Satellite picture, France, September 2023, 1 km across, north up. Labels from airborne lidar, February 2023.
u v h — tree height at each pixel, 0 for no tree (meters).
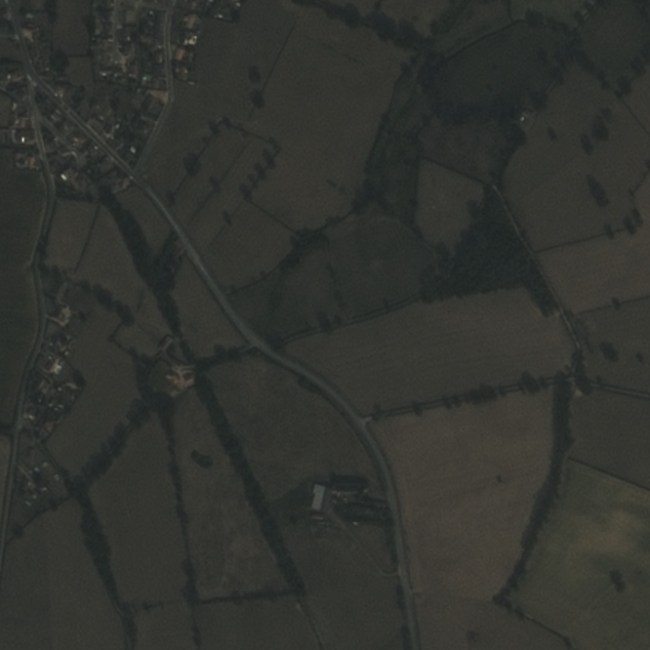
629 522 0
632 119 0
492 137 0
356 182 0
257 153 0
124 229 22
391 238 0
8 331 0
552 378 0
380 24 22
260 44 0
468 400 8
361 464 0
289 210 0
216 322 0
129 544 0
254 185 15
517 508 0
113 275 0
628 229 15
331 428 0
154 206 0
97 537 19
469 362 0
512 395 0
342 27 0
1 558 0
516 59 0
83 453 0
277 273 0
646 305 0
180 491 11
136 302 0
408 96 0
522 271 10
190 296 0
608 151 0
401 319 0
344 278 0
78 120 0
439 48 0
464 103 0
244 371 0
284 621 0
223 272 0
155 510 0
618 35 0
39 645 0
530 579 0
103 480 0
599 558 0
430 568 0
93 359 0
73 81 0
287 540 0
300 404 0
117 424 0
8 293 0
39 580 0
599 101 0
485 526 0
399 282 0
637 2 12
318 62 0
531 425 0
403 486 0
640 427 0
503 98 0
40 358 0
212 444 0
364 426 0
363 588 0
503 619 0
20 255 0
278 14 0
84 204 0
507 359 0
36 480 16
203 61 0
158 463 0
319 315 0
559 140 0
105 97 0
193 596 19
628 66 0
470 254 8
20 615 0
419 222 0
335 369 0
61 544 0
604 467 0
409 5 0
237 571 0
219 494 0
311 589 0
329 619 0
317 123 0
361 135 0
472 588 0
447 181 0
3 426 12
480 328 0
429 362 0
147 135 0
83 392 0
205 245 0
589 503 0
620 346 0
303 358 0
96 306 0
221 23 0
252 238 0
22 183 0
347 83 0
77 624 0
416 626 0
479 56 0
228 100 0
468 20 0
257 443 0
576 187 0
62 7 0
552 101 0
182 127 0
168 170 0
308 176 0
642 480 0
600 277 0
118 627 0
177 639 0
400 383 0
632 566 0
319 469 0
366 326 0
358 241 0
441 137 0
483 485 0
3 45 0
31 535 0
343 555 0
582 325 0
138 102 0
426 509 0
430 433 0
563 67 19
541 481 0
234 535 0
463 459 0
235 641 0
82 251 0
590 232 0
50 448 0
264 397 0
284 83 0
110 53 0
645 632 0
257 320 0
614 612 0
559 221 0
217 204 0
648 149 0
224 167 0
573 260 0
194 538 0
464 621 0
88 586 0
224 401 0
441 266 17
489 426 0
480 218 10
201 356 0
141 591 0
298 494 0
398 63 0
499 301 0
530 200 0
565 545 0
